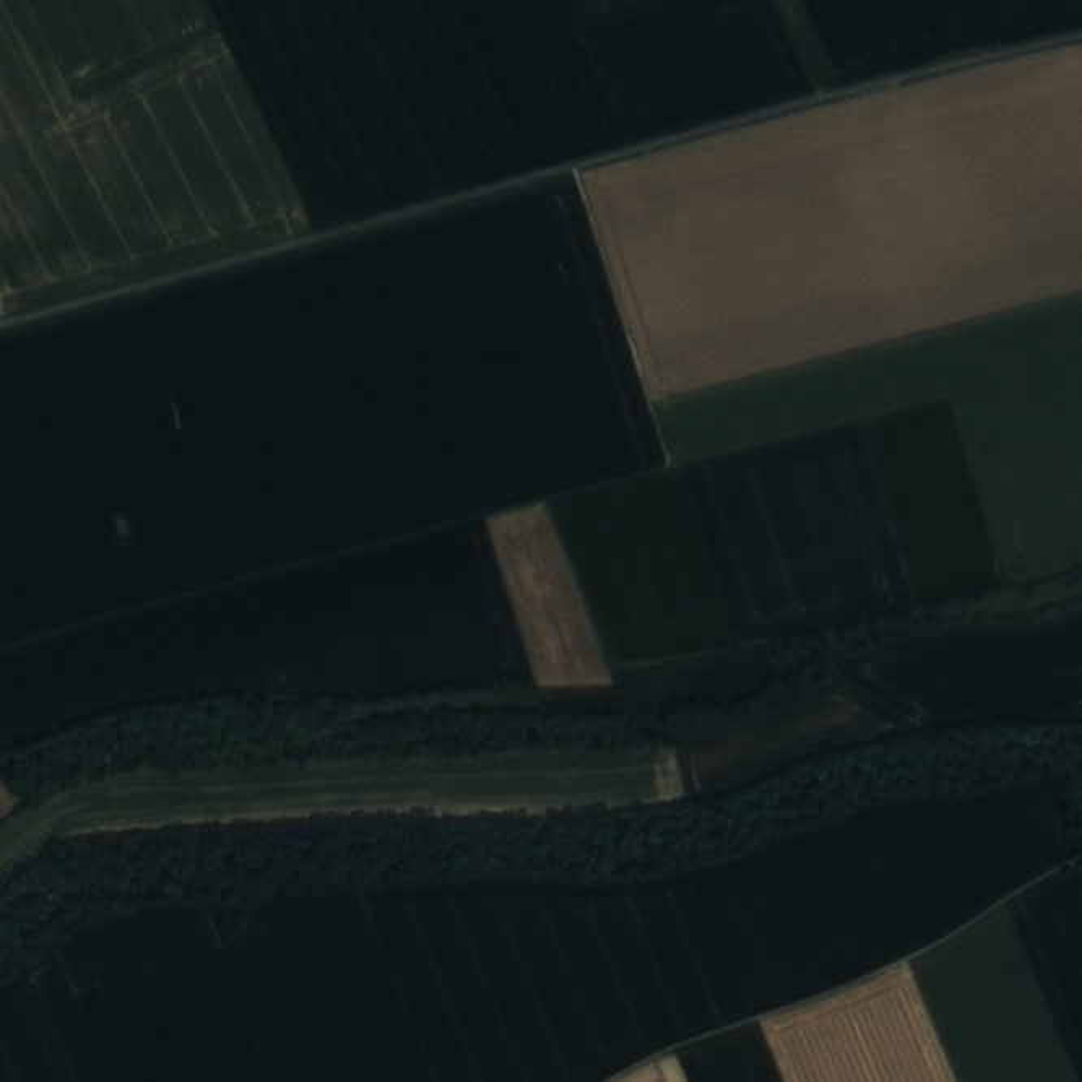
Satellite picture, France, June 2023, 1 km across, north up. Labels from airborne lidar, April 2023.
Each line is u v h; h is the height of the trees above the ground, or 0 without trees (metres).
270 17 0
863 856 0
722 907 0
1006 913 0
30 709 0
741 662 0
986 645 0
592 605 0
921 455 0
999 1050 0
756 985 0
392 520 0
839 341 0
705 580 0
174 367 0
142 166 0
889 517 0
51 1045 0
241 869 24
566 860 15
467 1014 0
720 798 11
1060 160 0
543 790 0
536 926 0
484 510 0
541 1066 0
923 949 0
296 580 0
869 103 0
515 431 0
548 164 0
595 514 0
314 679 0
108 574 0
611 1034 0
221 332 0
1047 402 0
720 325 0
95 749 19
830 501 0
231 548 0
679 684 0
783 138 0
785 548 0
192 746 21
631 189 0
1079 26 0
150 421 0
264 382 0
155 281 0
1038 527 0
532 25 0
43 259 0
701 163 0
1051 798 0
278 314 0
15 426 0
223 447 0
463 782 0
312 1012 0
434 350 0
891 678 0
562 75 0
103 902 20
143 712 13
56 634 0
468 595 0
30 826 0
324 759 14
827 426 0
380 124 0
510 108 0
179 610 0
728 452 0
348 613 0
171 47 0
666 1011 0
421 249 0
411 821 7
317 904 0
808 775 6
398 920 0
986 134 0
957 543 0
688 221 0
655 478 0
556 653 0
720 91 0
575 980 0
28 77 0
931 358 0
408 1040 0
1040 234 0
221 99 0
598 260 0
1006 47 0
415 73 0
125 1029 0
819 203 0
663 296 0
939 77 0
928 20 0
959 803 0
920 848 0
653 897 0
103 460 0
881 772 20
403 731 18
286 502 0
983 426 0
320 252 0
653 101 0
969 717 0
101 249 0
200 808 0
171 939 0
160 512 0
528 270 0
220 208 0
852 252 0
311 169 0
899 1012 0
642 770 0
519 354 0
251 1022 0
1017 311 0
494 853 19
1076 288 0
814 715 0
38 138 0
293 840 26
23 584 0
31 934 20
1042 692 0
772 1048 0
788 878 0
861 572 0
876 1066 0
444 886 0
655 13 0
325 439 0
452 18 0
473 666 0
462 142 0
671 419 0
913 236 0
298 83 0
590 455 0
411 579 0
